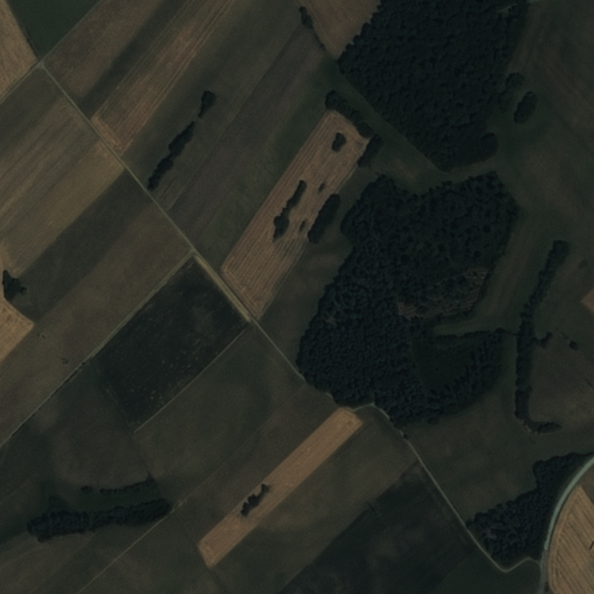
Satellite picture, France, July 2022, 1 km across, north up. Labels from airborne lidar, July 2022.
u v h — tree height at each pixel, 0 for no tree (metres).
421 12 22
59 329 0
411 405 28
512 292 0
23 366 0
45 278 0
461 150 18
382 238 26
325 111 0
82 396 0
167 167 17
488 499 0
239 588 0
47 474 0
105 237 0
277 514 0
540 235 0
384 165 0
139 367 0
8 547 0
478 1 14
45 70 0
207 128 0
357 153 0
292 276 0
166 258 0
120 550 0
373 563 0
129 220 0
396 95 23
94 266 0
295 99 0
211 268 0
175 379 0
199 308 0
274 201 0
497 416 0
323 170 0
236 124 0
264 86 0
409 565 0
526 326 16
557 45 0
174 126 0
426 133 18
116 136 0
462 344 6
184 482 0
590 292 0
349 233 17
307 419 0
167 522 0
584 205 0
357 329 29
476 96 26
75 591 0
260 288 0
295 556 0
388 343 30
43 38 0
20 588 0
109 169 0
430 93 28
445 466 0
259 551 0
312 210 0
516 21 19
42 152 0
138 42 0
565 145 0
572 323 0
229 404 0
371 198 25
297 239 0
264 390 0
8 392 0
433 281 8
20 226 0
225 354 0
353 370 29
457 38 26
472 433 0
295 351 0
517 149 0
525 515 25
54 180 0
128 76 0
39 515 0
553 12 0
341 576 0
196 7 0
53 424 0
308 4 0
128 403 0
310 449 0
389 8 22
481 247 26
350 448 0
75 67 0
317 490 0
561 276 0
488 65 21
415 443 0
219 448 0
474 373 20
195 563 0
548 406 0
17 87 0
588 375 0
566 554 0
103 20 0
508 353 0
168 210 0
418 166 0
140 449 0
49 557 0
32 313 0
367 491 0
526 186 0
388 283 26
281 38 0
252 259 0
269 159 0
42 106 0
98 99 0
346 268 16
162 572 0
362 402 17
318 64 0
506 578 0
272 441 0
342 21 0
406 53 25
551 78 0
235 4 0
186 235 0
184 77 0
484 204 21
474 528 21
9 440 0
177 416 0
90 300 0
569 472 16
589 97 0
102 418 0
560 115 0
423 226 25
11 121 0
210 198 0
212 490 0
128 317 0
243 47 0
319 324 18
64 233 0
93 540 0
